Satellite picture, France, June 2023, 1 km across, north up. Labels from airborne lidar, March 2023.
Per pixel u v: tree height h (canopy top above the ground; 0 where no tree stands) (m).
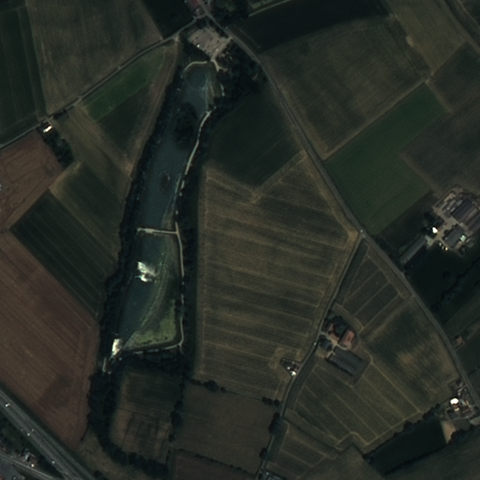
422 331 0
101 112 0
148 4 0
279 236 0
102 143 0
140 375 0
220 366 0
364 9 0
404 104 0
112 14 0
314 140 0
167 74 0
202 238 0
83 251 0
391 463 0
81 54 0
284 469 0
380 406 0
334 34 0
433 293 0
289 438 0
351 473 0
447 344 0
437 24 0
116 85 0
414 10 0
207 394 0
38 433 0
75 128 0
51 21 0
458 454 0
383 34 0
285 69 0
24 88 0
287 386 0
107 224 0
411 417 0
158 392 0
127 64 0
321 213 0
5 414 0
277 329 0
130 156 0
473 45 0
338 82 0
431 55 0
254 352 0
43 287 0
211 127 10
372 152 0
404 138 0
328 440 0
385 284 0
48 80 0
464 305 0
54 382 0
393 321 0
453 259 0
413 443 0
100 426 26
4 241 0
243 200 0
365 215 0
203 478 0
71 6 0
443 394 0
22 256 0
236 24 0
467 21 0
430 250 0
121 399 0
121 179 0
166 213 0
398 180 0
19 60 0
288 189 0
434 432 0
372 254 0
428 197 0
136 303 0
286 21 0
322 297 0
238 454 0
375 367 0
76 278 0
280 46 0
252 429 0
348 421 0
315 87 0
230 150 0
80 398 0
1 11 0
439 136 0
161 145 0
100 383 16
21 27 0
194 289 0
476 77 0
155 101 0
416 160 0
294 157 0
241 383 0
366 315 0
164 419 0
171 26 0
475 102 0
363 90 0
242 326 0
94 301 0
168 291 0
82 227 0
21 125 0
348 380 0
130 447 0
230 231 0
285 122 0
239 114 0
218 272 0
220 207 0
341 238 0
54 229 0
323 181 0
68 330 0
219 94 0
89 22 0
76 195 0
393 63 0
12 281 0
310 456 0
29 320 0
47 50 0
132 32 0
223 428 0
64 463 0
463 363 0
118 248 0
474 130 0
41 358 0
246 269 0
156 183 0
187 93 0
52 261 0
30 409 0
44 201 0
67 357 0
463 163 0
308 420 0
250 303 0
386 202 0
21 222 0
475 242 0
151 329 0
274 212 0
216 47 0
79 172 0
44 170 0
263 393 0
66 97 0
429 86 0
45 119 0
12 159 0
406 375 0
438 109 0
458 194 0
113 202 0
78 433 0
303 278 0
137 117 0
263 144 0
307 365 0
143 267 0
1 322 0
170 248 0
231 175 0
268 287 0
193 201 0
